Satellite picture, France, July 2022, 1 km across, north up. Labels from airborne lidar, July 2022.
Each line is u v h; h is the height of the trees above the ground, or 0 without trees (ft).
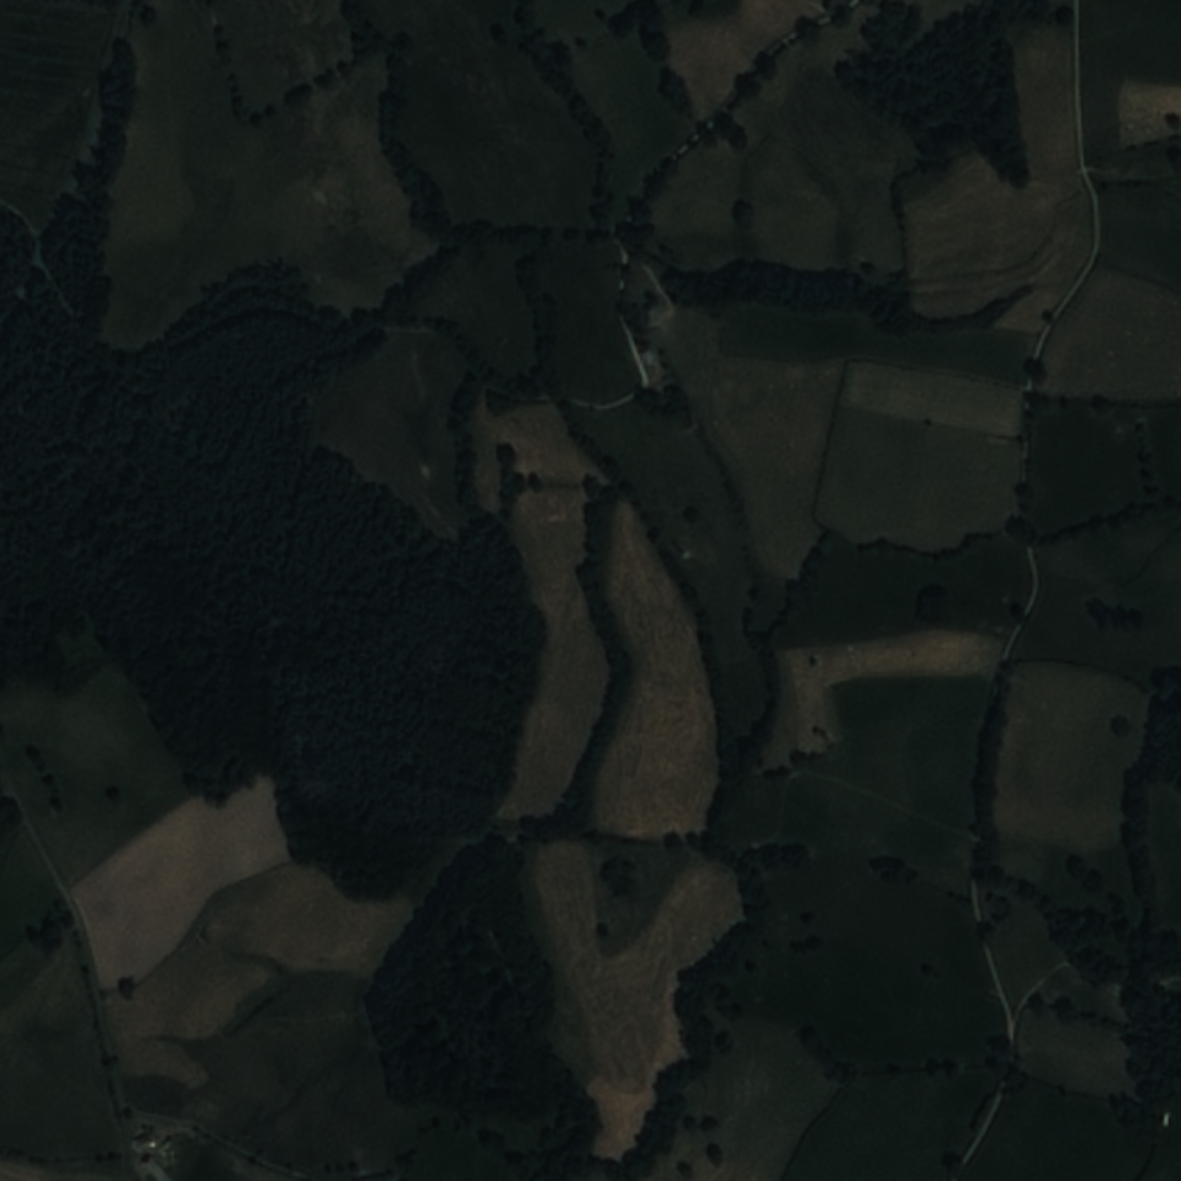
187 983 0
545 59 55
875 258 0
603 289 0
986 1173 0
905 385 0
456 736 62
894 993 0
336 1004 0
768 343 0
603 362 0
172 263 0
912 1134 0
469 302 0
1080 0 0
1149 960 64
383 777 104
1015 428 0
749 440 0
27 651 49
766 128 0
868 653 0
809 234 0
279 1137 0
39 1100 0
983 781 49
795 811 0
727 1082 0
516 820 0
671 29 0
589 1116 49
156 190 0
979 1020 0
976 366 0
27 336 61
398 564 52
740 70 0
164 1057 0
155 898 0
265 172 0
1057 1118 0
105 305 61
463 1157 0
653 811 0
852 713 0
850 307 55
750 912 55
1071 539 26
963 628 0
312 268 0
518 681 41
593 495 39
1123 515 20
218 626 76
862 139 0
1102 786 0
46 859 0
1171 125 38
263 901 0
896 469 0
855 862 0
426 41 0
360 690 70
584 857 0
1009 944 0
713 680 38
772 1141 0
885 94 55
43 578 22
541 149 0
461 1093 81
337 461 53
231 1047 0
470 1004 48
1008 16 36
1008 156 64
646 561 0
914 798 0
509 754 51
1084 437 0
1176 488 0
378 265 0
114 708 0
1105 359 0
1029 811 0
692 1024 46
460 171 0
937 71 60
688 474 0
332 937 0
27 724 0
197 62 0
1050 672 0
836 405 0
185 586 83
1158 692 60
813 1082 0
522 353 0
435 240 22
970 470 0
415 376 0
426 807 96
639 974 0
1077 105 0
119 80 60
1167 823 0
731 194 0
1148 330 0
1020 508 25
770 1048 0
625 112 0
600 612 44
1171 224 0
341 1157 0
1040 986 0
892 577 0
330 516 84
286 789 46
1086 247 0
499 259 0
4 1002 0
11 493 36
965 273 0
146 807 0
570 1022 0
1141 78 0
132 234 0
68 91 0
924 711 0
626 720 0
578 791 41
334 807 84
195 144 0
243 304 31
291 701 94
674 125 0
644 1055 0
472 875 74
